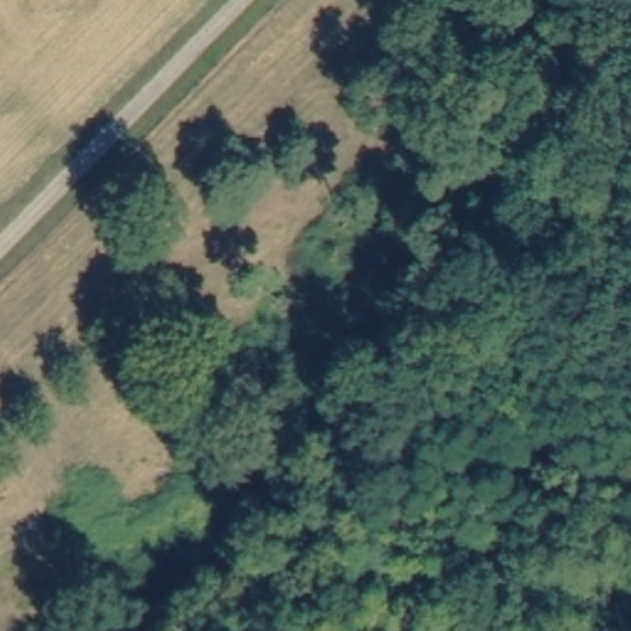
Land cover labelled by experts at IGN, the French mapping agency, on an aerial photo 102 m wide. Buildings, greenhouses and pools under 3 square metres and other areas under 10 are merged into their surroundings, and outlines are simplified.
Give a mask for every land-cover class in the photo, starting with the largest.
<instances>
[{"label":"deciduous trees","instance_id":"1","mask_svg":"<svg viewBox=\"0 0 631 631\"><path fill-rule=\"evenodd\" d=\"M382 47L387 49L382 54V64L367 71V76L355 81L352 86H338V104L355 121V126L360 131L375 126L382 133L387 126L399 128L407 145L429 160L417 177V187L429 197V202L426 214L409 227L404 246L397 251V269H392L377 286L380 318L372 320L362 335L345 340L340 355L330 345L320 343L316 355H306L298 365H293V360L281 362L279 352L269 345L254 348L244 323L229 320L219 313L214 296L202 293V276L195 269L168 261L175 254L177 242H182V227L187 224L190 212L185 202L175 195L165 175L155 182L128 180L123 185L106 187V195L96 207L94 234L99 242H104L101 254L113 256L116 269L128 271V276L123 279L126 291L99 313L96 323L89 330H79L76 343L69 348L76 357L94 350L104 377L113 385L126 409L136 414L140 421L150 424L155 436L165 444L170 454V468H197L212 488L242 483L251 471H264L269 476V495L259 503L244 500L239 505L237 525L232 527V545L237 550V564L232 567V572L222 577L205 572L197 577L195 589L175 594L173 614L165 631H631V0H402L397 5V12L392 15V25L382 35ZM316 158L313 138L301 140L286 158H271L266 136L251 138L232 131L227 145L222 148V163L192 182L200 190L205 214L214 227H239L249 217L254 202L264 200L271 192V182L276 177L283 180L286 187L303 185V170ZM377 210V192L372 187L355 185L345 190V197L340 200V212H348V217L355 224H365L370 229ZM286 281L276 274L261 271L251 274L244 281L229 274L232 296H264L256 311L281 316L286 311L281 303L274 301V291L283 288ZM49 382L67 404L81 407L89 402L86 372L79 360H67L64 375ZM54 426L49 407L39 397V392L32 399L30 412L22 404H12L0 414V478L5 481L15 471H20L17 441L22 436L30 444H47ZM155 545L145 542L123 564L96 555L81 564L79 579L69 577L49 582L47 594L54 601L44 604V609H35V616L17 619L12 624V631H118L136 629L143 621L145 604L140 601L136 596V587L143 584L145 572L150 569L148 555Z\"/></svg>","mask_w":631,"mask_h":631},{"label":"herbaceous vegetation","instance_id":"2","mask_svg":"<svg viewBox=\"0 0 631 631\"><path fill-rule=\"evenodd\" d=\"M229 0H190L180 20L163 25L138 49V54L131 59L138 69L118 91L108 96V104L86 123L74 126V140L64 150L47 155L37 165L35 175L25 185H20L12 197L0 195V229L10 219H15L59 170L69 168V192L10 251L0 249V414L12 404H22L30 412L32 399L39 392V397L49 407L54 426L47 444H30L22 436L17 441L20 471H15L5 481L0 478V631H12V624L17 619L35 616V609H44V604L54 601L47 594L49 582L69 577L79 579L81 564L96 555L84 532H79L71 523L62 518L44 513L47 500L52 495H59L62 486H67V471L81 466L108 468L111 476L121 483L126 498H138L143 493H153L155 478L168 473L170 468V454L165 444L155 436L150 424L140 421L136 414L126 409L113 385L104 377L94 350L76 357L69 348L76 343L79 330H89L96 323L99 313L126 291L123 279L128 276V271L116 269L113 256L101 254L104 242H99L94 234L96 207L106 195V187L123 185L128 180L155 182L165 175L175 195L185 202L190 212L187 224L182 227V242H177L175 254L168 261L195 269L202 276V293L214 296L219 313L229 320L244 323L256 311L264 296H232L229 274L244 281L251 274L261 271L276 274L286 281L291 279L286 259L293 239L313 217H318L320 200L328 192H333V187L345 177L348 170H352L357 153L362 148H385L382 133L375 126L360 131L355 126V121L338 104V86H352L355 81L367 76V71L382 64V54L387 49L382 47V35L392 25V15L397 12V5L402 0H254L133 126H126L113 116ZM232 131L251 138L266 136L271 158H286L301 140L313 138L316 158L303 170V185L286 187L283 180L276 177L271 182V192L264 200L254 202L249 217L239 227H214L205 214L200 190L192 182L222 163V148L227 145ZM67 360H79L86 372L89 402L81 407L67 404L49 382L64 375ZM175 594L170 589H163L160 594H145L140 601L145 604L143 621L136 629L118 631H165L173 614Z\"/></svg>","mask_w":631,"mask_h":631},{"label":"brushwood","instance_id":"3","mask_svg":"<svg viewBox=\"0 0 631 631\"><path fill-rule=\"evenodd\" d=\"M385 148H362L357 153L352 170H348L345 177L333 187V192H328L320 200L318 217H313L293 239L286 259L291 279L286 281L283 288L274 291V301L281 303L286 311L281 316L256 311L244 323L254 348L269 345L279 352L281 362L293 360V365H298L306 355H316L320 343L330 345L340 355L345 340L362 335L372 320L380 318L377 286L392 269H397V251L404 246L409 227L426 214L429 202V197L417 187V177L429 160L407 145L399 128L387 126L382 133ZM355 185L372 187L377 192V210L370 229L365 224H355L348 217V212H340V200L345 197V190ZM269 495V476L264 471H251L242 483L212 488L197 468H170L168 473L155 478L153 493H143L138 498H126L121 483L111 476L108 468L81 466L67 471V486H62L59 495H52L47 500L44 513L62 518L71 523L79 532H84L96 555L123 564L145 542L155 545L148 555L150 569L145 572L143 584L136 587V596L140 601L145 594H160L163 589H170L175 594L195 589L197 577L205 572L222 577L232 572V567L237 564V550L232 545V527L237 525L239 505L244 500L259 503Z\"/></svg>","mask_w":631,"mask_h":631},{"label":"agricultural land","instance_id":"4","mask_svg":"<svg viewBox=\"0 0 631 631\"><path fill-rule=\"evenodd\" d=\"M190 0H0V195L12 197L20 185H25L35 175L37 165L47 155L64 150L74 140V126L86 123L108 104V96L118 91L138 69L131 59L138 54V49L163 25L180 20Z\"/></svg>","mask_w":631,"mask_h":631},{"label":"pervious surface","instance_id":"5","mask_svg":"<svg viewBox=\"0 0 631 631\"><path fill-rule=\"evenodd\" d=\"M254 0H229L113 116L126 126H133ZM69 192V168L59 170L15 219H10L0 229V249L10 251Z\"/></svg>","mask_w":631,"mask_h":631}]
</instances>
